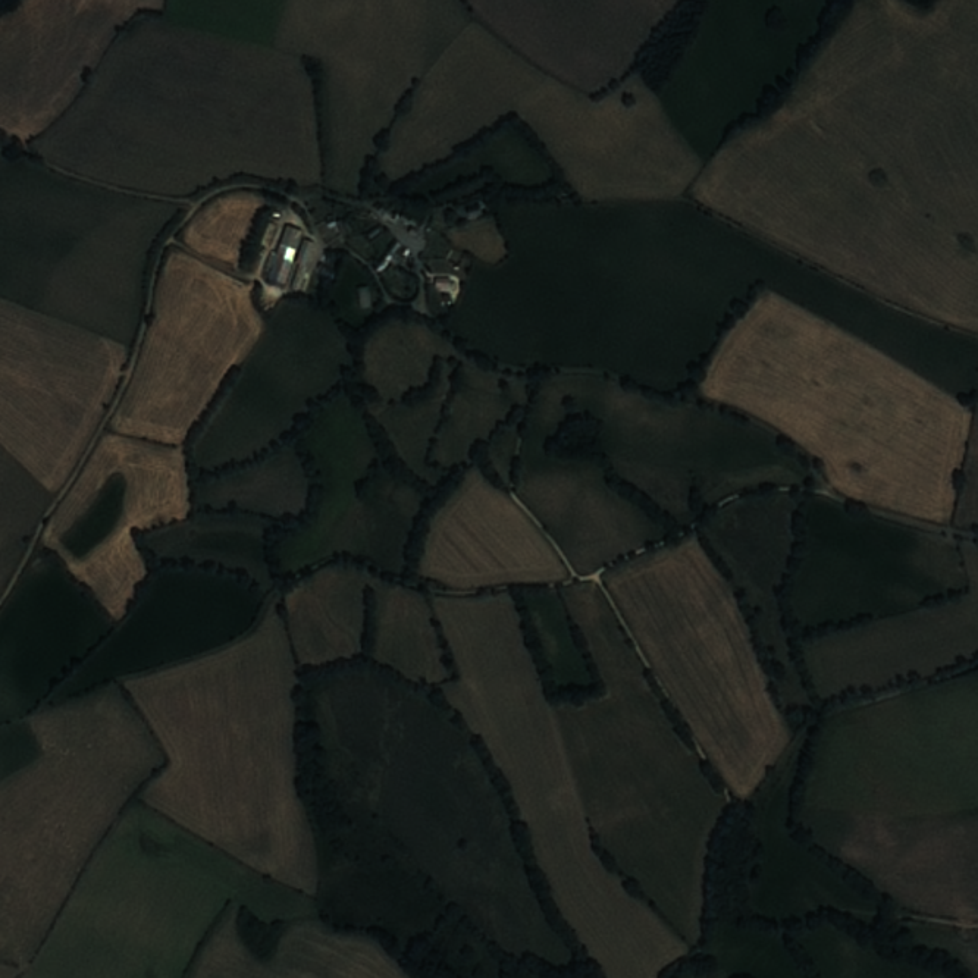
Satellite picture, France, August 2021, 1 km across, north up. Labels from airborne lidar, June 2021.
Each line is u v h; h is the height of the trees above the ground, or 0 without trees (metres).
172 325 0
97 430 0
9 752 0
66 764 0
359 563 14
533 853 12
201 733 0
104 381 0
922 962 17
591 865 0
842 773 0
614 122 0
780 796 0
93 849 0
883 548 0
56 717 0
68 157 0
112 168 0
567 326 0
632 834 0
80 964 0
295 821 0
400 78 0
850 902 0
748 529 0
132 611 10
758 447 0
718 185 0
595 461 13
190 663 0
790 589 13
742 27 0
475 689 0
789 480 0
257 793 0
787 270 0
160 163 0
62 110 0
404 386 0
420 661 0
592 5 0
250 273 0
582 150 0
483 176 7
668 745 0
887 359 0
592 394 0
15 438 0
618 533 0
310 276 0
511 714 0
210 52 0
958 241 0
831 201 0
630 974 0
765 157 0
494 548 0
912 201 0
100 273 0
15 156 13
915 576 0
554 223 0
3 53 0
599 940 0
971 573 0
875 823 0
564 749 0
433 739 0
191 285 0
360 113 0
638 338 0
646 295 0
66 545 0
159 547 0
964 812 0
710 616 0
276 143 0
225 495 0
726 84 0
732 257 0
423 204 15
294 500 0
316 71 12
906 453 0
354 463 0
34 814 0
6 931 0
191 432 8
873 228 0
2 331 0
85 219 0
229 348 0
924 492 0
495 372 13
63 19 0
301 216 10
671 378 0
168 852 0
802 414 0
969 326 0
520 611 12
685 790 0
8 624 0
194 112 0
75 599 0
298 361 0
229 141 0
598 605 0
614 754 0
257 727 0
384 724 0
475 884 0
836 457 0
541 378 16
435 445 10
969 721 0
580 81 0
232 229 0
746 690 0
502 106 0
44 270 0
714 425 0
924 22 0
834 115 0
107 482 0
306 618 0
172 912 0
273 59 0
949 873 0
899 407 0
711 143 0
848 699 15
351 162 0
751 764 0
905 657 0
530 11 0
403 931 0
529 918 0
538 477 0
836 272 0
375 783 0
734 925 10
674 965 8
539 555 0
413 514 0
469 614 0
